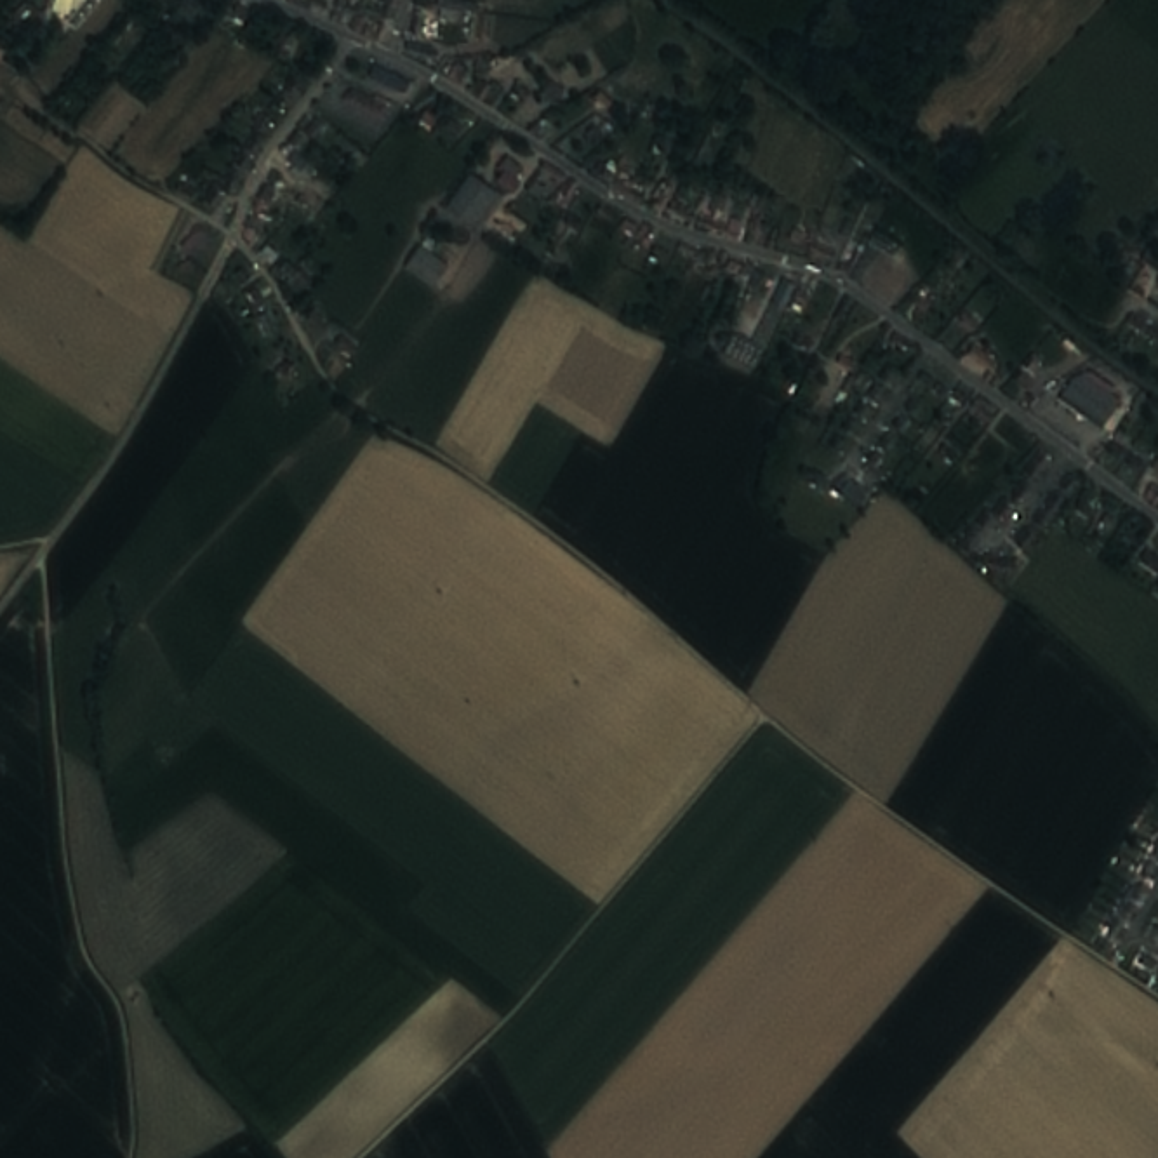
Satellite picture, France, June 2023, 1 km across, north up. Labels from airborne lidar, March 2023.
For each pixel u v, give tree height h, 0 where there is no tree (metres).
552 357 0
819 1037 0
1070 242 17
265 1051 0
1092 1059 0
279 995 0
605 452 0
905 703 0
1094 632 0
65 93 9
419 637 0
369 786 0
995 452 0
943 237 6
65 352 0
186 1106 0
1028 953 0
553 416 0
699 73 0
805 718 0
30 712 0
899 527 0
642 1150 0
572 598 0
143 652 0
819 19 19
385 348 0
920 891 0
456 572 0
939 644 0
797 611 0
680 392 0
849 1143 0
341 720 0
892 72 19
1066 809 0
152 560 0
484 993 0
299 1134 0
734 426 0
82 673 0
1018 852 0
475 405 0
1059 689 0
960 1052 0
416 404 0
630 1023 0
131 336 0
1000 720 0
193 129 0
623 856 0
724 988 0
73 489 0
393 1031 0
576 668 0
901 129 12
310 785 0
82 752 0
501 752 0
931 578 0
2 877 0
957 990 0
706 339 6
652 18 0
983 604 0
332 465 0
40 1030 0
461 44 0
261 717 0
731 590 0
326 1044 0
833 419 7
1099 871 0
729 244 0
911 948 0
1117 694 0
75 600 0
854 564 0
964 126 0
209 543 0
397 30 0
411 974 0
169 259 0
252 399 0
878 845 0
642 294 0
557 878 0
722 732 0
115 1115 0
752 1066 0
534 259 13
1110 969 0
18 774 0
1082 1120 0
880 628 0
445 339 0
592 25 0
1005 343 0
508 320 0
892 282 0
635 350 0
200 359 0
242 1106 0
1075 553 0
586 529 0
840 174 0
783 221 0
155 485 0
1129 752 0
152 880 0
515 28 0
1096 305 0
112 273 0
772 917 0
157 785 0
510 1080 0
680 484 0
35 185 0
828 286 0
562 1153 0
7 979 0
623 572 0
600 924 0
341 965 0
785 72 20
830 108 28
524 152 11
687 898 0
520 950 0
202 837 0
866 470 0
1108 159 0
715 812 0
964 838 0
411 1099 0
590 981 0
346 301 0
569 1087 0
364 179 0
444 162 0
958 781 0
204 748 0
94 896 0
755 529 0
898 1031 0
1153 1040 0
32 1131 0
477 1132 0
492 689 0
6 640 0
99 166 0
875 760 0
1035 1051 0
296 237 7
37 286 0
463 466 0
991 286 7
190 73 0
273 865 0
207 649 0
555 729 0
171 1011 0
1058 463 0
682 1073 0
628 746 0
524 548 0
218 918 0
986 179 0
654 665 0
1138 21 0
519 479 0
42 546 0
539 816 0
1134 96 0
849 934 0
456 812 0
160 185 0
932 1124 0
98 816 0
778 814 0
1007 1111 0
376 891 0
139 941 0
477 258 0
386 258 0
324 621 0
